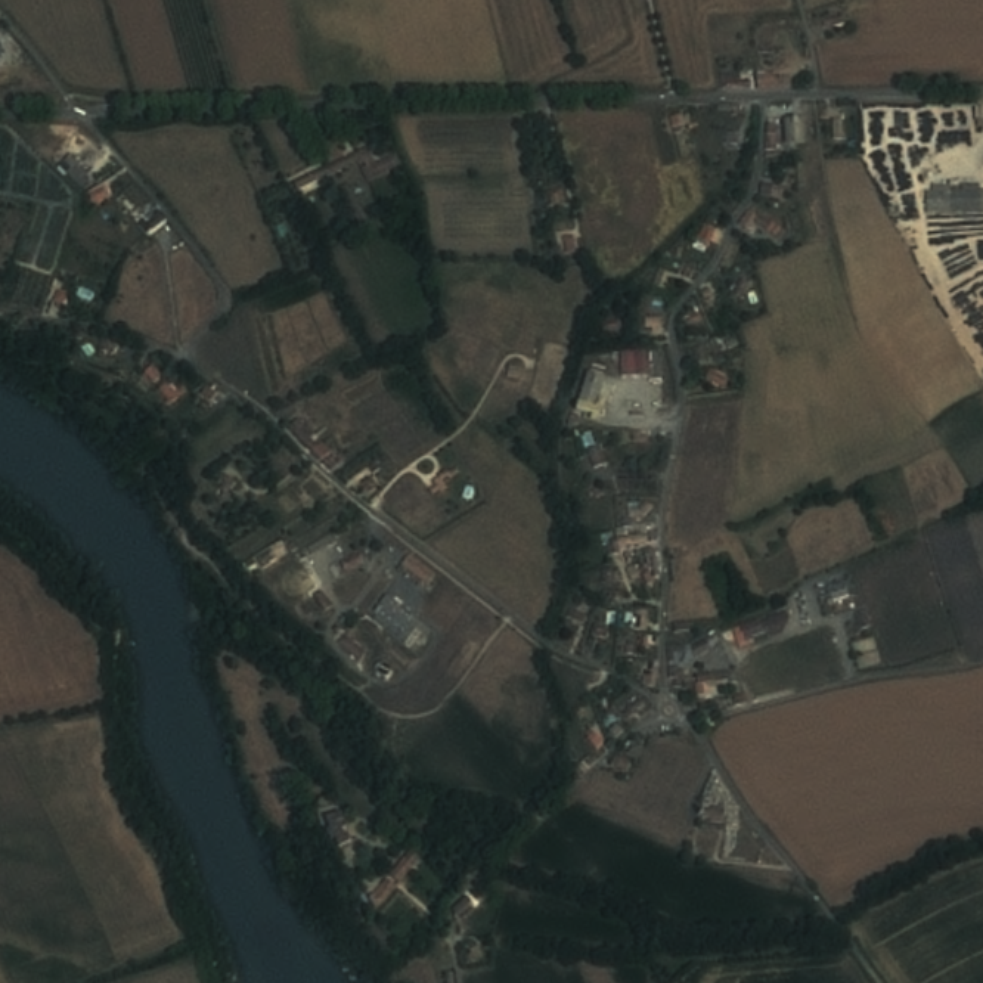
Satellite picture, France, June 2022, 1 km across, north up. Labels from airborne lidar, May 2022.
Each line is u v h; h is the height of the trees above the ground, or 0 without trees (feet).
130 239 0
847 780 0
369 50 0
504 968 0
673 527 0
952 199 0
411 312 0
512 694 0
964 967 0
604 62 0
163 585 0
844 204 0
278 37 0
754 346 0
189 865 34
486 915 0
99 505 0
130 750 61
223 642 92
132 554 0
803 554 0
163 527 55
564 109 84
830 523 0
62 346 60
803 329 0
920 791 0
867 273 0
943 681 0
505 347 0
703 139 0
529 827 87
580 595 24
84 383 62
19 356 36
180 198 0
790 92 0
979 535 0
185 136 0
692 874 0
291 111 94
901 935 0
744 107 0
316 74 0
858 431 0
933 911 0
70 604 32
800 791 0
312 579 0
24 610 0
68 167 0
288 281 57
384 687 0
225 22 0
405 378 20
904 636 0
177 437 30
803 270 0
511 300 0
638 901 41
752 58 0
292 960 0
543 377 0
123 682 37
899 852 0
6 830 0
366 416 0
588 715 0
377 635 0
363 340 41
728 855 0
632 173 0
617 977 0
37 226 0
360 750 64
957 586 0
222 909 0
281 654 53
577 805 0
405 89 71
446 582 0
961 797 0
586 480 23
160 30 0
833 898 0
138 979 0
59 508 0
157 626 0
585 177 0
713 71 0
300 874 32
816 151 0
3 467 0
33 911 0
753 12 0
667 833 0
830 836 0
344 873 33
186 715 0
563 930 0
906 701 0
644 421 0
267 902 0
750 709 0
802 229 0
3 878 0
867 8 0
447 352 0
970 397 0
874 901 66
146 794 32
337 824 0
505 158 0
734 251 0
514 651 0
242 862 0
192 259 0
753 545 0
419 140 0
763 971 0
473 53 0
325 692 112
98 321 42
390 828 98
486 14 0
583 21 0
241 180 0
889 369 0
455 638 0
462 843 29
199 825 0
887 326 0
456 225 0
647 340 34
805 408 0
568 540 63
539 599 0
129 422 63
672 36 0
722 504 0
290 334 0
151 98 77
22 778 0
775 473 0
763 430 0
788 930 53
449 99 88
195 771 0
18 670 0
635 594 20
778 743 0
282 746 52
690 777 0
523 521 0
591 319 61
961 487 0
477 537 0
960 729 0
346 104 79
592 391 0
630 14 0
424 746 0
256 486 45
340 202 38
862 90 0
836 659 0
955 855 53
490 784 0
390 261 0
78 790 0
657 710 0
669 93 0
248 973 0
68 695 0
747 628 0
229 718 83
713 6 0
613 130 0
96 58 0
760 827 0
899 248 0
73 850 0
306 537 0
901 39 0
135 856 0
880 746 0
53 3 0
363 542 29
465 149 0
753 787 0
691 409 0
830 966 0
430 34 0
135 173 0
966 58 0
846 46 0
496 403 0
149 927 0
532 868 43
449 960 0
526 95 84
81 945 0
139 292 0
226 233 0
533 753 0
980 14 0
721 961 26
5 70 0
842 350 0
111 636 25
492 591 0
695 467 0
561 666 0
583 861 0
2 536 40
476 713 0
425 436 0
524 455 68
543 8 0
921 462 0
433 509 0
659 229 0
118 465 60
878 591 0
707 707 31
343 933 27
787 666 0
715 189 0
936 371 0
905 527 0
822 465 0
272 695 0
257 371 0
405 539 0
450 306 0
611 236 0
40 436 0
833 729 0
